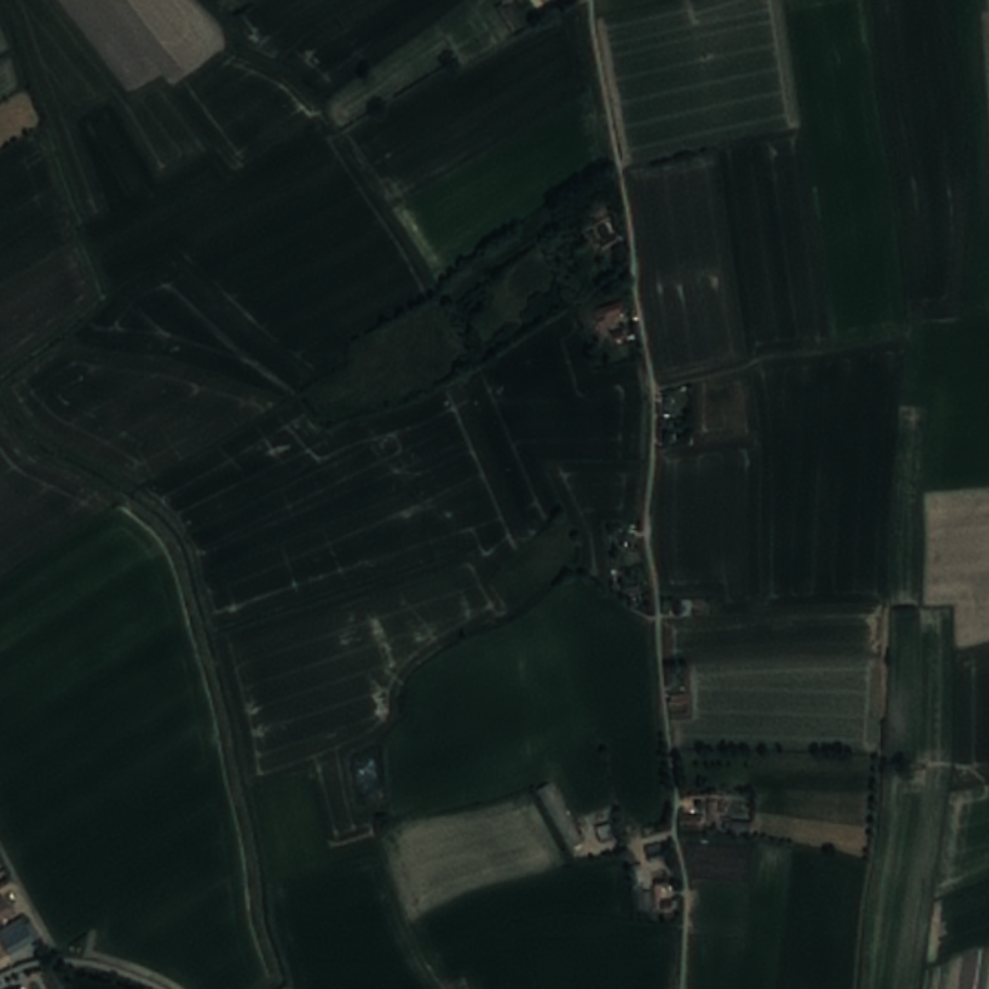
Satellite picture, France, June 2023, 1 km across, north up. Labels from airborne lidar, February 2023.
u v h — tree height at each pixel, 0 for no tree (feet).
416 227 0
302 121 0
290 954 0
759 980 0
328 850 0
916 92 0
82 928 0
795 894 0
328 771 0
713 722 0
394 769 0
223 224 0
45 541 0
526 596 0
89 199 0
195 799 0
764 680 0
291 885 0
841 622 0
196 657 0
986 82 0
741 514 0
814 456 0
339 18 0
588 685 0
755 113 0
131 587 0
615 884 0
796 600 0
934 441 0
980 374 0
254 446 0
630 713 0
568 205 66
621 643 0
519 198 0
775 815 0
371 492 0
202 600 0
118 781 0
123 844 0
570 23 0
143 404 0
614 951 0
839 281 0
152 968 0
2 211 0
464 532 0
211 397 0
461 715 0
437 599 0
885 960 0
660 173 0
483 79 0
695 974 0
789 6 0
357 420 0
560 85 0
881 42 0
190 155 0
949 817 0
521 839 0
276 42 0
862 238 0
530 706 0
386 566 0
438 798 0
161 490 0
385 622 0
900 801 0
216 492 0
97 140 0
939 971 0
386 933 0
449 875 0
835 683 0
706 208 0
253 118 0
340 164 0
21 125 0
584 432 0
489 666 0
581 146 0
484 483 0
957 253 0
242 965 0
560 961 0
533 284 0
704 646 0
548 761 0
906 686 0
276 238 0
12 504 0
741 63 0
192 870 0
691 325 0
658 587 0
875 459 0
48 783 0
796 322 0
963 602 0
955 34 0
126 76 0
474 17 0
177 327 0
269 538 0
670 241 0
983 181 0
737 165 0
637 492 0
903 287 0
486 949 0
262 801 0
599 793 0
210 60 0
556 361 0
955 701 0
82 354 0
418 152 0
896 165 0
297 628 0
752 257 0
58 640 0
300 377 0
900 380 0
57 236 0
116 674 0
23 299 0
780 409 0
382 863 0
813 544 0
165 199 0
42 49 0
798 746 0
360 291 0
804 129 0
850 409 0
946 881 0
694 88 0
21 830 0
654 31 0
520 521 0
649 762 0
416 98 0
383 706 0
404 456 0
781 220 0
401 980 0
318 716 0
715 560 0
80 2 0
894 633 0
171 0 0
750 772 0
